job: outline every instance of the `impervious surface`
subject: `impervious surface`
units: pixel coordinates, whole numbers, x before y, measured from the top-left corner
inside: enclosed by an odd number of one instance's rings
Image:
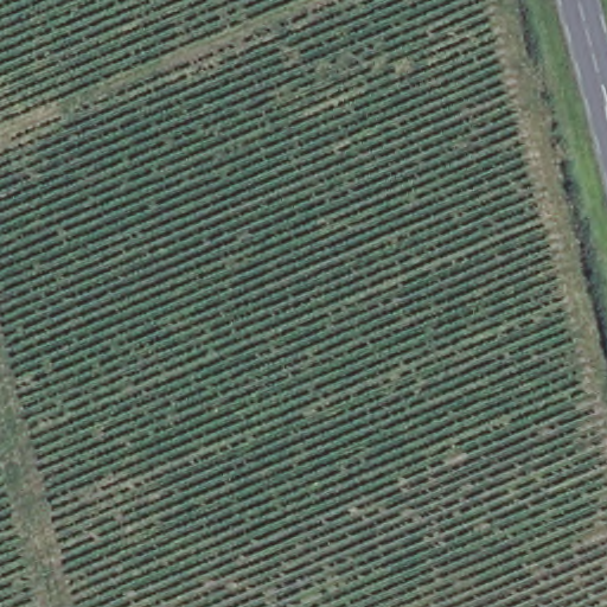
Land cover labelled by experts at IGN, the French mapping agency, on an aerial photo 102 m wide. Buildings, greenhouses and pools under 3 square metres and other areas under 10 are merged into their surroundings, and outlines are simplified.
[[[581,97],[590,123],[602,185],[607,192],[607,0],[557,0],[574,74],[579,78]]]

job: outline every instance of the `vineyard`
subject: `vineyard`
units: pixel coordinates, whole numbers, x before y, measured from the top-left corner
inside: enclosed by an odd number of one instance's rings
[[[33,607],[28,576],[21,576],[21,586],[5,583],[0,579],[0,607]]]
[[[142,66],[147,62],[161,59],[175,50],[202,43],[225,28],[242,26],[249,19],[280,9],[296,0],[0,0],[0,123],[26,116],[40,107],[71,97],[85,88],[92,88],[100,81]]]
[[[173,64],[164,71],[154,71],[147,78],[121,85],[119,90],[107,92],[107,97],[102,100],[81,104],[76,109],[76,119],[66,123],[62,119],[47,119],[24,130],[17,130],[17,147],[0,145],[0,346],[9,353],[12,377],[31,375],[36,379],[36,386],[19,391],[17,398],[24,405],[21,417],[26,420],[28,429],[40,429],[38,434],[31,434],[28,441],[33,446],[43,484],[47,479],[55,479],[50,486],[45,486],[45,496],[52,510],[57,541],[69,541],[69,548],[62,550],[62,567],[69,576],[71,600],[76,602],[74,607],[607,607],[607,462],[600,434],[595,429],[579,429],[579,422],[590,417],[593,410],[576,410],[579,396],[583,391],[581,368],[576,358],[576,346],[571,341],[571,332],[567,330],[567,311],[562,306],[555,268],[550,261],[548,230],[538,218],[533,183],[526,173],[524,145],[517,135],[517,121],[512,109],[498,114],[498,109],[507,104],[507,95],[503,85],[500,62],[496,57],[496,36],[491,21],[484,9],[455,17],[455,12],[462,12],[462,7],[474,7],[484,0],[332,0],[320,7],[304,9],[273,26],[263,26],[244,38],[232,38],[221,47],[211,47],[199,57]]]
[[[12,503],[9,507],[0,505],[0,569],[7,562],[19,560],[21,541],[12,529],[9,517],[14,512],[21,512],[21,503]]]

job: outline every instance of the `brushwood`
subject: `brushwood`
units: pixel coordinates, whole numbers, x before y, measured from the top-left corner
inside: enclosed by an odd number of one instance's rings
[[[607,325],[602,304],[598,299],[598,287],[593,280],[588,242],[571,190],[569,161],[560,161],[567,211],[571,230],[579,239],[579,261],[586,280],[586,294],[593,306],[600,349],[607,363]]]
[[[524,0],[517,0],[524,47],[529,57],[533,57],[536,52]]]

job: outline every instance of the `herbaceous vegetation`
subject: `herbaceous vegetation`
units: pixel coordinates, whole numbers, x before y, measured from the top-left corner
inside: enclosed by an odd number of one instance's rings
[[[69,541],[57,541],[52,510],[45,496],[45,486],[50,486],[55,479],[47,479],[43,484],[33,446],[28,441],[31,434],[38,434],[40,429],[28,429],[26,420],[21,417],[24,405],[17,398],[19,391],[36,386],[36,379],[31,375],[12,377],[9,353],[0,346],[0,505],[9,507],[12,503],[21,503],[21,512],[14,512],[9,517],[12,529],[21,541],[19,560],[7,562],[0,569],[0,579],[5,583],[21,586],[21,576],[28,576],[33,607],[74,607],[76,602],[71,600],[69,576],[62,567],[62,550],[69,548]]]
[[[600,434],[607,462],[607,363],[600,349],[593,306],[586,294],[586,280],[579,261],[579,239],[571,230],[567,211],[560,161],[569,161],[571,190],[588,242],[593,280],[598,287],[598,299],[602,304],[607,325],[607,192],[602,185],[590,123],[581,97],[579,78],[574,74],[557,0],[524,0],[536,52],[533,57],[529,57],[524,47],[517,0],[484,0],[474,7],[462,7],[462,12],[455,12],[455,17],[484,9],[491,21],[496,36],[496,57],[500,62],[503,85],[507,95],[507,104],[498,109],[498,114],[512,109],[517,121],[517,135],[524,145],[526,173],[533,183],[538,218],[548,230],[550,261],[555,268],[562,306],[567,311],[567,330],[571,332],[571,341],[576,346],[576,358],[581,368],[583,391],[579,396],[576,410],[593,410],[590,417],[579,422],[579,429],[595,429]]]
[[[164,71],[173,64],[199,57],[211,47],[221,47],[232,38],[244,38],[263,26],[273,26],[304,9],[320,7],[332,0],[296,0],[280,9],[249,19],[242,26],[225,28],[202,43],[175,50],[161,59],[147,62],[142,66],[100,81],[92,88],[85,88],[71,97],[40,107],[26,116],[0,123],[0,145],[17,147],[17,130],[24,130],[47,119],[62,119],[66,123],[76,119],[76,109],[81,104],[102,100],[107,97],[107,92],[119,90],[121,85],[147,78],[154,71]]]

